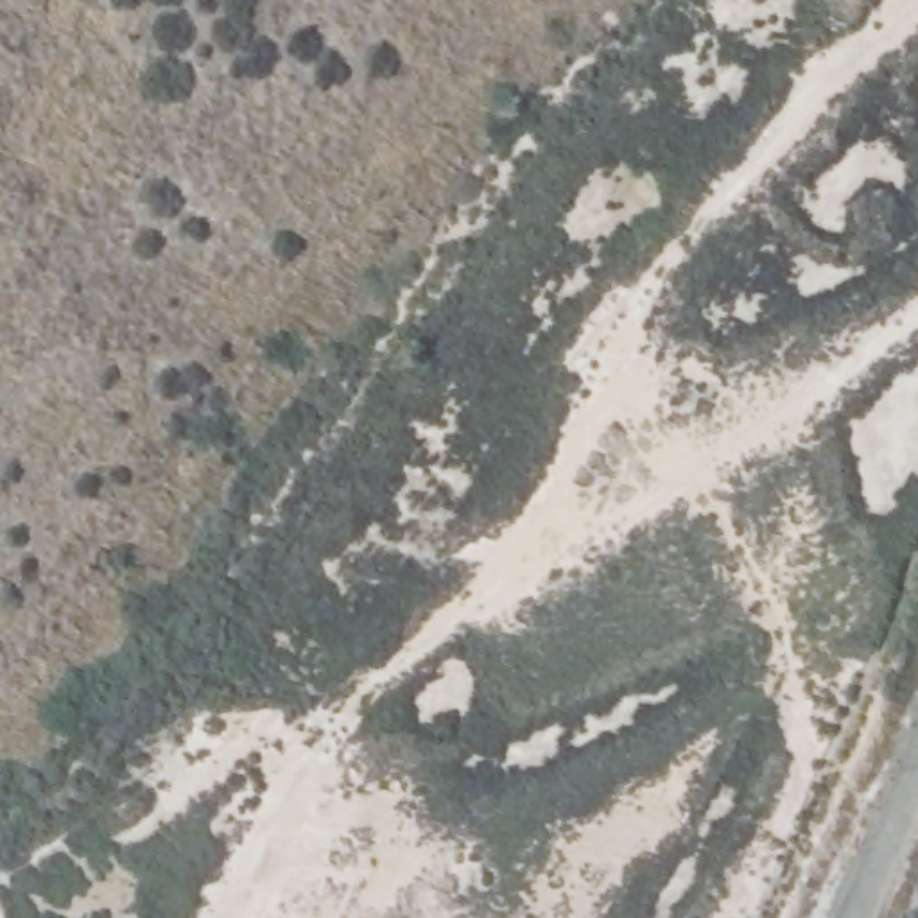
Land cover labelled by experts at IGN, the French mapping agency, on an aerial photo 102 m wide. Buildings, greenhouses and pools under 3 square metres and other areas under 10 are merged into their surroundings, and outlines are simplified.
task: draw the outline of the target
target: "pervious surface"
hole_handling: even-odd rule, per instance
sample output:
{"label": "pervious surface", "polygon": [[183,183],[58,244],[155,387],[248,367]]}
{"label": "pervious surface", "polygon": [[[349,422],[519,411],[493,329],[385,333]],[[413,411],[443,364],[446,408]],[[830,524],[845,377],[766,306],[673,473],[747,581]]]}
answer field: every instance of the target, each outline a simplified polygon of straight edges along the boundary
{"label": "pervious surface", "polygon": [[441,678],[427,685],[416,699],[420,721],[470,706],[473,678],[463,660],[448,660],[441,667]]}
{"label": "pervious surface", "polygon": [[506,764],[531,767],[552,757],[559,728],[552,724],[524,742],[513,742],[506,749]]}
{"label": "pervious surface", "polygon": [[351,559],[373,549],[402,552],[423,567],[434,563],[430,545],[387,538],[377,524],[369,524],[362,538],[355,538],[348,549],[323,563],[323,574],[337,592],[348,592],[344,570],[351,567]]}
{"label": "pervious surface", "polygon": [[685,825],[689,782],[706,767],[717,746],[717,732],[703,732],[696,742],[689,742],[663,778],[649,785],[628,782],[610,810],[599,810],[588,821],[581,821],[577,839],[552,839],[552,846],[567,853],[567,882],[556,889],[549,889],[545,875],[534,875],[531,882],[538,893],[534,911],[541,918],[602,918],[610,911],[610,889],[624,882],[624,868],[642,853],[653,853],[671,832]]}
{"label": "pervious surface", "polygon": [[685,857],[671,882],[660,889],[653,918],[671,918],[671,907],[681,900],[696,875],[696,861]]}
{"label": "pervious surface", "polygon": [[588,258],[567,280],[545,280],[534,290],[534,316],[545,330],[552,326],[552,305],[588,287],[588,276],[602,262],[602,237],[610,237],[620,222],[642,215],[645,208],[660,204],[653,176],[638,176],[628,165],[617,165],[588,176],[567,215],[570,240],[588,244]]}
{"label": "pervious surface", "polygon": [[32,846],[32,864],[43,864],[47,857],[61,853],[68,864],[82,871],[90,886],[82,896],[72,896],[72,904],[50,904],[43,893],[32,896],[36,911],[61,918],[136,918],[133,871],[111,868],[104,879],[86,853],[72,850],[65,839],[54,836]]}
{"label": "pervious surface", "polygon": [[592,54],[574,57],[559,86],[549,86],[545,97],[552,104],[563,104],[574,93],[577,75],[595,61]]}
{"label": "pervious surface", "polygon": [[405,481],[394,495],[398,520],[412,520],[420,527],[445,527],[448,509],[416,509],[409,502],[412,491],[437,491],[441,484],[448,484],[463,495],[470,488],[470,477],[448,463],[445,452],[445,441],[459,427],[459,402],[445,402],[445,412],[434,427],[420,420],[412,427],[416,437],[423,437],[430,448],[430,466],[405,466]]}
{"label": "pervious surface", "polygon": [[671,237],[671,244],[649,262],[649,269],[631,287],[606,290],[599,308],[585,319],[577,341],[567,348],[567,369],[577,373],[581,384],[570,394],[570,412],[559,434],[556,459],[549,463],[545,481],[527,498],[524,513],[513,524],[506,524],[498,538],[481,538],[459,549],[459,559],[473,574],[470,585],[452,602],[437,606],[430,620],[384,667],[355,674],[355,689],[344,699],[316,706],[305,717],[290,721],[283,717],[283,710],[230,710],[226,732],[212,735],[190,728],[186,735],[190,749],[208,749],[208,760],[186,764],[183,757],[176,757],[176,749],[154,757],[147,785],[158,800],[151,814],[143,814],[133,828],[118,832],[118,843],[140,843],[154,836],[165,821],[183,814],[190,800],[226,782],[240,757],[262,757],[262,807],[244,810],[255,789],[244,785],[212,818],[215,836],[230,832],[230,818],[247,821],[251,832],[240,846],[230,850],[222,875],[204,886],[204,904],[197,918],[455,918],[455,907],[448,907],[437,896],[441,879],[455,875],[466,889],[481,889],[484,879],[477,861],[455,861],[455,843],[437,839],[437,828],[420,825],[409,814],[398,814],[402,782],[380,789],[369,778],[369,760],[355,732],[362,703],[369,696],[384,696],[387,685],[402,681],[423,656],[430,656],[463,628],[498,628],[506,635],[516,635],[516,610],[524,599],[581,592],[588,577],[602,567],[602,559],[617,556],[628,541],[635,527],[653,524],[660,513],[674,506],[696,516],[717,516],[721,541],[742,552],[735,570],[735,595],[742,602],[746,620],[760,624],[771,635],[764,696],[775,699],[782,735],[792,753],[789,778],[778,792],[778,807],[767,818],[771,832],[792,836],[796,818],[810,800],[814,760],[839,753],[839,746],[818,735],[810,721],[814,706],[800,681],[803,660],[792,653],[796,620],[789,613],[789,602],[807,599],[807,577],[821,567],[792,563],[800,552],[800,538],[810,534],[807,524],[785,524],[771,545],[757,545],[753,531],[735,531],[732,509],[732,495],[732,473],[742,459],[775,455],[792,448],[814,448],[818,437],[810,430],[818,420],[828,420],[839,409],[839,391],[857,387],[879,359],[889,355],[893,344],[907,344],[918,330],[918,294],[907,298],[904,308],[896,308],[879,326],[839,330],[836,337],[825,337],[821,355],[828,362],[810,362],[807,369],[785,373],[753,373],[742,377],[739,387],[728,387],[710,369],[710,362],[656,362],[656,344],[663,333],[645,330],[645,316],[660,301],[663,283],[671,283],[671,273],[699,247],[699,240],[724,215],[735,212],[735,204],[742,204],[749,190],[764,183],[767,172],[778,172],[782,158],[796,158],[796,140],[807,136],[818,115],[825,115],[828,97],[850,90],[861,75],[875,72],[882,54],[904,47],[918,32],[918,0],[882,0],[879,11],[868,14],[868,25],[861,32],[803,61],[803,72],[792,75],[785,108],[760,129],[742,165],[721,172],[703,204],[692,212],[689,226]]}
{"label": "pervious surface", "polygon": [[900,186],[907,176],[904,161],[886,143],[853,143],[836,169],[828,169],[818,179],[818,197],[803,204],[810,219],[825,230],[843,230],[846,197],[864,179],[886,179]]}
{"label": "pervious surface", "polygon": [[803,294],[818,294],[850,280],[843,265],[821,265],[800,255],[792,273]]}
{"label": "pervious surface", "polygon": [[728,871],[728,900],[710,918],[760,918],[764,896],[778,882],[782,864],[771,846],[753,839],[742,850],[739,864]]}
{"label": "pervious surface", "polygon": [[875,409],[853,420],[850,427],[850,445],[861,466],[861,488],[871,513],[889,513],[904,481],[918,477],[918,369],[900,373],[893,387],[875,402]]}
{"label": "pervious surface", "polygon": [[843,886],[843,871],[864,839],[868,810],[882,792],[879,778],[868,789],[861,789],[857,771],[868,764],[868,753],[882,732],[886,692],[871,696],[861,735],[828,796],[825,818],[810,828],[810,850],[807,857],[800,857],[796,886],[785,896],[778,918],[807,918],[800,914],[800,900],[818,861],[828,861],[832,868],[810,918],[828,918],[832,900]]}
{"label": "pervious surface", "polygon": [[610,714],[585,721],[585,728],[574,735],[574,746],[588,746],[602,732],[631,724],[642,703],[638,696],[624,696]]}
{"label": "pervious surface", "polygon": [[889,875],[879,889],[879,900],[889,904],[904,886],[911,850],[918,843],[918,803],[911,828],[904,832],[900,857],[889,864]]}
{"label": "pervious surface", "polygon": [[434,233],[434,240],[441,244],[488,230],[491,208],[484,194],[477,194],[477,219],[470,219],[466,204],[459,204],[459,219],[445,219]]}
{"label": "pervious surface", "polygon": [[706,115],[706,108],[721,97],[742,93],[746,72],[724,65],[721,57],[696,61],[692,54],[685,54],[671,54],[663,68],[681,72],[685,97],[696,115]]}
{"label": "pervious surface", "polygon": [[714,22],[728,29],[735,29],[753,47],[767,47],[775,32],[785,32],[785,22],[792,18],[792,0],[710,0]]}

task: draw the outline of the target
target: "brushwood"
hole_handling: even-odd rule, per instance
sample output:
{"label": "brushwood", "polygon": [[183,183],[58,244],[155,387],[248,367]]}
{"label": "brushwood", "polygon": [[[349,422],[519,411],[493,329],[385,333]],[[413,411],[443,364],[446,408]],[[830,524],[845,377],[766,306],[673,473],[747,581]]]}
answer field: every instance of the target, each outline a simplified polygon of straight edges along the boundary
{"label": "brushwood", "polygon": [[183,50],[194,39],[194,25],[186,14],[165,14],[154,22],[161,57],[143,72],[143,97],[186,100],[194,93],[194,68],[183,61]]}
{"label": "brushwood", "polygon": [[[577,75],[574,93],[563,104],[552,104],[545,97],[520,82],[488,86],[488,136],[502,158],[509,147],[520,151],[513,183],[491,208],[488,230],[441,244],[437,258],[463,262],[459,283],[445,301],[437,301],[423,319],[416,319],[423,326],[423,341],[412,369],[377,377],[355,427],[341,437],[330,459],[312,459],[308,445],[319,437],[323,423],[333,423],[344,412],[348,398],[337,391],[341,380],[362,380],[369,351],[387,351],[384,333],[391,319],[369,316],[348,337],[333,341],[330,373],[323,380],[308,380],[258,445],[247,445],[240,420],[230,412],[230,394],[212,380],[204,366],[176,366],[161,373],[165,398],[194,398],[186,412],[172,412],[169,430],[179,441],[194,441],[201,448],[215,445],[222,463],[237,473],[230,509],[222,516],[222,541],[197,541],[186,567],[176,570],[165,585],[122,595],[122,649],[97,663],[72,667],[61,678],[61,685],[39,703],[39,721],[50,732],[61,732],[65,746],[50,749],[36,767],[0,760],[0,918],[61,918],[36,911],[32,896],[43,893],[50,904],[72,904],[72,896],[82,896],[90,886],[82,871],[68,864],[61,853],[47,857],[43,864],[32,864],[32,846],[54,836],[65,839],[72,850],[86,853],[104,879],[111,868],[133,871],[136,918],[197,918],[204,904],[204,886],[222,875],[230,850],[240,846],[251,832],[247,821],[230,818],[230,832],[215,836],[212,818],[244,785],[255,789],[244,810],[262,807],[262,757],[240,757],[226,782],[190,800],[183,814],[165,821],[154,836],[140,843],[118,843],[118,832],[133,828],[143,814],[151,814],[158,800],[147,785],[154,757],[140,746],[143,739],[158,735],[176,721],[194,717],[197,710],[230,710],[283,710],[283,717],[290,721],[305,717],[316,706],[344,699],[355,689],[355,674],[384,667],[430,620],[437,606],[452,602],[470,585],[473,574],[459,559],[459,549],[481,538],[498,538],[506,524],[513,524],[524,513],[527,498],[545,481],[549,463],[556,459],[559,434],[570,412],[570,394],[581,384],[577,373],[567,369],[567,348],[577,341],[585,319],[599,308],[606,290],[631,287],[649,269],[649,262],[671,244],[671,237],[689,226],[692,212],[703,204],[721,172],[742,165],[760,129],[785,108],[792,75],[803,72],[803,61],[861,32],[868,25],[868,14],[879,11],[882,0],[792,0],[792,18],[785,22],[785,32],[775,32],[767,47],[753,47],[735,29],[728,29],[721,36],[721,57],[724,65],[746,72],[742,93],[721,97],[706,108],[706,115],[696,115],[685,97],[681,72],[663,68],[671,54],[685,54],[692,47],[692,36],[714,22],[710,0],[628,0],[628,7],[617,11],[617,25],[610,32],[620,43],[631,43],[642,32],[645,47],[638,54],[602,54],[595,61]],[[552,326],[545,330],[534,316],[534,290],[545,280],[567,280],[588,258],[588,244],[570,240],[567,215],[588,176],[617,165],[628,165],[638,176],[653,176],[660,204],[645,208],[642,215],[620,222],[610,237],[602,237],[602,262],[588,276],[588,287],[552,305]],[[448,509],[445,527],[420,527],[412,520],[398,520],[394,495],[405,481],[405,466],[430,466],[430,448],[423,437],[416,437],[412,427],[420,420],[434,427],[445,412],[445,402],[459,402],[459,427],[445,441],[445,452],[448,463],[470,477],[470,488],[463,495],[448,484],[441,484],[437,491],[412,491],[409,502],[416,509]],[[298,473],[298,484],[294,495],[283,502],[283,520],[276,527],[251,524],[251,513],[262,502],[269,502],[269,495],[283,484],[287,470]],[[369,524],[377,524],[387,538],[430,545],[434,563],[423,567],[402,552],[373,549],[351,559],[351,567],[344,570],[348,592],[337,592],[323,574],[323,563],[348,549],[355,538],[362,538]]]}
{"label": "brushwood", "polygon": [[255,22],[258,0],[230,0],[226,18],[215,22],[215,36],[222,39],[237,79],[262,79],[276,68],[276,43],[265,39]]}
{"label": "brushwood", "polygon": [[380,43],[369,54],[369,75],[391,79],[402,72],[402,57],[391,43]]}
{"label": "brushwood", "polygon": [[810,918],[832,868],[828,861],[818,861],[800,900],[800,914],[807,918]]}
{"label": "brushwood", "polygon": [[[764,696],[771,635],[760,624],[746,620],[742,602],[735,595],[735,570],[742,552],[721,541],[717,516],[696,516],[678,534],[678,556],[663,556],[660,563],[645,563],[642,552],[628,541],[617,556],[602,559],[602,567],[588,577],[581,592],[524,599],[516,610],[516,635],[506,635],[498,628],[463,628],[430,656],[423,656],[402,681],[387,685],[384,696],[369,696],[362,703],[355,732],[369,760],[369,778],[380,789],[402,782],[398,814],[409,814],[420,825],[437,828],[463,825],[473,839],[488,843],[491,864],[502,868],[516,864],[520,846],[545,825],[559,818],[581,821],[588,821],[599,810],[610,810],[628,782],[649,785],[663,778],[689,742],[696,742],[703,732],[717,732],[717,746],[706,767],[689,782],[685,825],[671,832],[653,853],[642,853],[624,868],[624,882],[610,889],[610,911],[602,918],[653,918],[660,889],[671,882],[685,857],[696,861],[696,875],[681,900],[671,907],[671,918],[710,918],[728,900],[728,871],[739,864],[742,850],[753,839],[771,846],[782,864],[778,882],[764,896],[760,918],[778,918],[785,896],[796,886],[800,857],[807,857],[810,850],[810,828],[825,818],[828,796],[861,735],[853,732],[839,746],[839,753],[814,760],[810,800],[796,818],[792,836],[771,832],[767,818],[778,807],[778,792],[789,778],[792,753],[782,735],[775,699]],[[473,678],[470,706],[420,721],[416,699],[427,685],[441,678],[441,667],[448,660],[463,660]],[[574,735],[585,728],[585,721],[610,714],[624,696],[638,696],[642,703],[631,724],[602,732],[588,746],[574,746]],[[559,728],[552,757],[531,767],[506,764],[506,749],[513,742],[524,742],[552,724]]]}
{"label": "brushwood", "polygon": [[290,54],[316,68],[319,86],[326,90],[348,82],[348,61],[333,47],[326,47],[319,29],[305,25],[290,39]]}
{"label": "brushwood", "polygon": [[[886,179],[864,179],[846,197],[843,230],[825,230],[810,219],[803,204],[818,197],[818,179],[828,169],[836,169],[853,143],[886,143],[904,161],[907,176],[900,186]],[[850,90],[828,97],[825,115],[818,115],[807,136],[796,140],[796,158],[782,158],[778,172],[767,172],[764,183],[749,190],[742,204],[735,204],[735,212],[724,215],[699,240],[699,247],[671,273],[671,283],[681,294],[681,312],[663,333],[674,341],[699,341],[710,351],[739,351],[753,373],[785,373],[807,369],[810,362],[828,362],[821,355],[825,337],[836,337],[839,330],[879,326],[896,308],[904,308],[907,298],[918,294],[918,32],[904,47],[882,54],[875,72],[861,75]],[[843,265],[850,280],[818,294],[803,294],[792,273],[800,255],[821,265]]]}
{"label": "brushwood", "polygon": [[879,359],[857,387],[839,391],[839,409],[828,420],[818,420],[810,430],[818,437],[814,448],[792,448],[775,455],[778,463],[771,466],[771,473],[757,477],[749,491],[732,495],[732,509],[739,509],[742,516],[764,516],[789,495],[789,488],[810,488],[814,509],[825,524],[821,534],[839,552],[839,563],[821,567],[807,577],[807,599],[789,602],[789,613],[796,620],[792,653],[803,660],[800,681],[814,706],[828,706],[839,717],[850,717],[850,706],[836,699],[836,674],[843,660],[864,660],[875,649],[896,653],[904,660],[900,671],[886,674],[886,692],[882,732],[868,753],[868,764],[857,771],[861,789],[868,789],[879,778],[879,767],[889,760],[896,746],[904,710],[918,689],[918,477],[904,481],[889,513],[871,513],[861,488],[861,466],[850,445],[850,427],[853,420],[875,409],[875,402],[893,387],[900,373],[918,369],[918,330],[907,344],[893,344],[889,355]]}

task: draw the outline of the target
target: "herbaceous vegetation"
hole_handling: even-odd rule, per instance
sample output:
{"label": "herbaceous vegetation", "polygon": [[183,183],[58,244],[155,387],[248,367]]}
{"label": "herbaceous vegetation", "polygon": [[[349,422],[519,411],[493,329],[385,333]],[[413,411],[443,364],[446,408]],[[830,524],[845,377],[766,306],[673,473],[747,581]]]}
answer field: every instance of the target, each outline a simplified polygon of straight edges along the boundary
{"label": "herbaceous vegetation", "polygon": [[771,466],[778,463],[775,455],[742,459],[732,473],[732,495],[749,491],[757,477],[771,473]]}
{"label": "herbaceous vegetation", "polygon": [[825,524],[814,509],[810,488],[789,488],[789,495],[764,516],[742,516],[739,509],[732,509],[735,531],[753,531],[757,545],[771,545],[785,524],[807,524],[810,534],[800,538],[800,552],[792,563],[821,567],[839,563],[839,552],[821,534]]}
{"label": "herbaceous vegetation", "polygon": [[663,333],[681,312],[681,294],[671,283],[663,283],[660,301],[645,316],[645,330]]}
{"label": "herbaceous vegetation", "polygon": [[918,843],[911,850],[904,886],[889,904],[882,918],[918,918]]}
{"label": "herbaceous vegetation", "polygon": [[710,351],[699,341],[674,341],[663,333],[656,344],[656,362],[710,362],[710,369],[728,387],[739,387],[742,377],[753,373],[739,351]]}
{"label": "herbaceous vegetation", "polygon": [[839,746],[853,732],[861,735],[871,696],[886,692],[886,674],[900,671],[904,660],[896,653],[875,649],[864,660],[843,660],[836,674],[836,699],[850,706],[850,717],[839,717],[828,706],[814,706],[810,721],[818,735]]}
{"label": "herbaceous vegetation", "polygon": [[143,739],[140,746],[154,757],[176,749],[176,757],[183,757],[186,764],[208,760],[208,749],[190,749],[186,735],[190,728],[212,735],[226,732],[230,710],[197,710],[194,717],[176,721],[158,735]]}
{"label": "herbaceous vegetation", "polygon": [[663,556],[678,556],[678,534],[696,516],[674,506],[660,513],[653,524],[635,527],[628,541],[642,552],[645,563],[660,563]]}
{"label": "herbaceous vegetation", "polygon": [[287,470],[283,484],[269,495],[269,502],[262,502],[251,513],[251,524],[276,527],[283,520],[283,502],[294,495],[298,484],[298,473]]}
{"label": "herbaceous vegetation", "polygon": [[[333,341],[348,337],[369,316],[391,319],[384,333],[387,351],[369,351],[362,380],[341,380],[337,391],[348,398],[344,412],[333,423],[323,423],[319,437],[308,445],[312,459],[330,459],[341,437],[355,427],[377,377],[412,369],[423,341],[423,326],[416,319],[423,319],[437,301],[445,301],[459,283],[463,262],[437,258],[441,244],[434,240],[434,233],[445,219],[459,219],[459,204],[466,204],[470,219],[477,219],[477,194],[484,194],[491,208],[513,183],[520,151],[509,147],[502,158],[488,136],[488,86],[520,82],[545,97],[549,86],[559,86],[574,57],[592,54],[595,61],[602,54],[638,54],[645,47],[642,32],[631,43],[620,43],[610,32],[617,25],[617,11],[628,7],[628,0],[258,0],[255,22],[265,39],[276,43],[276,68],[262,79],[237,79],[222,39],[215,36],[215,22],[226,18],[230,0],[0,0],[0,760],[36,767],[50,749],[65,746],[61,732],[50,732],[39,721],[39,703],[61,685],[61,678],[72,667],[97,663],[122,649],[122,595],[165,585],[176,570],[186,567],[197,541],[222,541],[222,516],[230,509],[237,473],[222,463],[215,445],[201,448],[194,441],[179,441],[169,430],[172,412],[186,412],[194,398],[165,398],[161,373],[176,366],[204,366],[212,380],[230,394],[230,412],[240,420],[247,445],[258,445],[308,380],[323,380],[330,373]],[[194,68],[194,93],[186,100],[143,97],[143,72],[161,57],[154,22],[165,14],[186,14],[194,25],[194,39],[183,50],[183,61]],[[348,82],[326,90],[319,86],[316,68],[290,54],[290,39],[305,25],[319,29],[326,47],[333,47],[348,61]],[[391,79],[369,75],[369,54],[380,43],[391,43],[402,57],[402,72]]]}
{"label": "herbaceous vegetation", "polygon": [[541,918],[534,911],[538,893],[531,882],[534,875],[545,875],[549,889],[556,889],[567,882],[567,853],[552,846],[552,839],[577,839],[581,821],[559,818],[545,825],[520,846],[516,864],[502,868],[491,864],[488,843],[473,839],[463,825],[437,828],[437,839],[455,843],[455,861],[477,861],[484,879],[481,889],[466,889],[455,875],[441,879],[437,896],[448,907],[455,907],[455,918]]}
{"label": "herbaceous vegetation", "polygon": [[692,36],[692,47],[685,54],[692,54],[696,61],[721,57],[721,36],[728,29],[714,22]]}

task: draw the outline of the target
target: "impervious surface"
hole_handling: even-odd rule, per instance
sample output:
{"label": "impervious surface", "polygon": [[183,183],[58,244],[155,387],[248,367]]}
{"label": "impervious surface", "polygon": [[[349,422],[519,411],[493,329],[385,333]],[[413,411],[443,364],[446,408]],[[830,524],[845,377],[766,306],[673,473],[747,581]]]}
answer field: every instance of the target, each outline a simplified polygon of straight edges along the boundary
{"label": "impervious surface", "polygon": [[868,810],[864,839],[843,871],[843,886],[832,900],[828,918],[882,918],[889,904],[879,900],[879,889],[889,875],[889,864],[900,857],[904,832],[911,828],[918,803],[918,689],[904,710],[896,746],[889,760],[879,767],[879,778],[882,792]]}

